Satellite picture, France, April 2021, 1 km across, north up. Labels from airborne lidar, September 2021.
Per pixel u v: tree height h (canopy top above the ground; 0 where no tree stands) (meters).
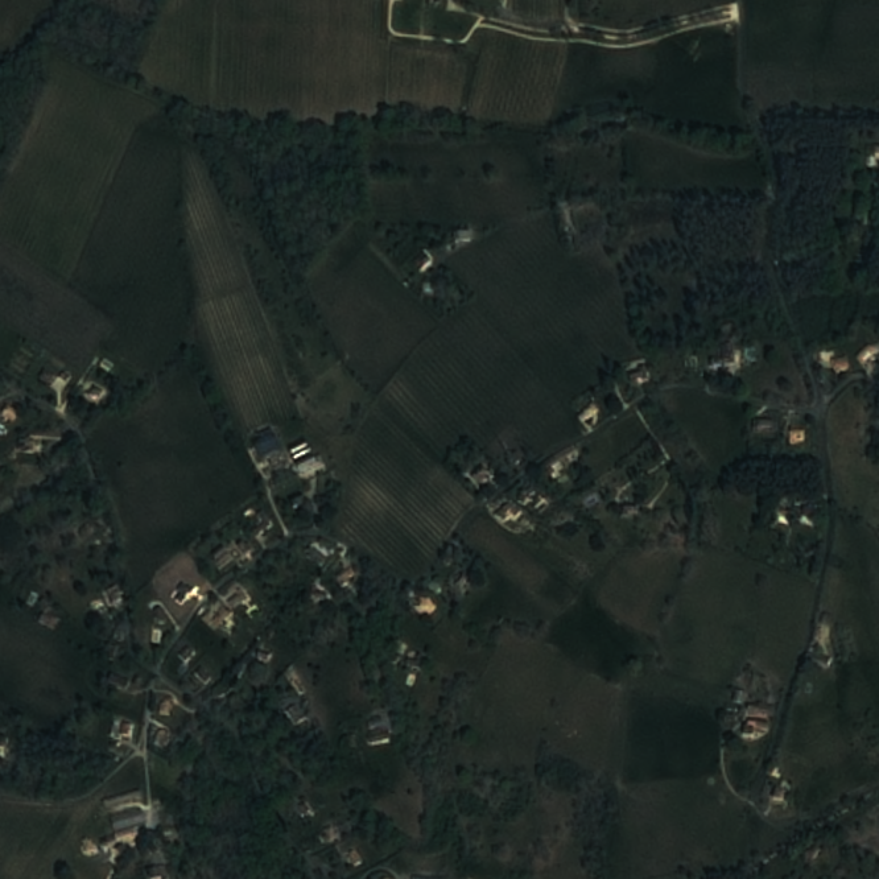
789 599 0
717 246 25
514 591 0
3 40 0
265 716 19
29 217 0
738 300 23
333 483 9
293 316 0
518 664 0
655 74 0
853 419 0
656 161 0
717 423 0
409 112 18
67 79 0
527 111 0
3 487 11
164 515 0
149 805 0
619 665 0
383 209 0
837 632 6
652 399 17
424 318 0
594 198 12
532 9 0
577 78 0
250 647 7
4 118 19
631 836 0
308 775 18
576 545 0
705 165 0
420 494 0
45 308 0
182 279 0
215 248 0
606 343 0
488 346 0
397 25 0
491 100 0
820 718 0
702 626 0
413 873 0
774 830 0
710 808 0
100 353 0
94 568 0
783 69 0
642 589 0
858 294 9
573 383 0
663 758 0
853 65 0
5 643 0
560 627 0
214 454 0
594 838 19
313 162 12
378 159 0
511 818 6
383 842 16
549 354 0
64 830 0
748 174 0
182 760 20
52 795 7
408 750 11
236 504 0
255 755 15
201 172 0
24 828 0
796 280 22
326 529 15
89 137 0
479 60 0
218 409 11
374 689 13
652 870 0
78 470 17
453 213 0
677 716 0
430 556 0
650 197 15
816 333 10
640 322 16
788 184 22
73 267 0
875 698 0
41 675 0
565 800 0
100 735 0
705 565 0
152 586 0
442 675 0
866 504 0
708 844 0
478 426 0
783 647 0
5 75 19
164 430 0
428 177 13
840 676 0
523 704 0
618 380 15
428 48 0
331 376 0
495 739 0
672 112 0
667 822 0
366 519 0
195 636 0
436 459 0
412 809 0
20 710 0
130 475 0
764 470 21
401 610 11
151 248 0
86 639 0
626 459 9
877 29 0
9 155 14
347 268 0
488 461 5
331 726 0
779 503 14
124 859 12
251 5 0
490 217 0
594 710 0
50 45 19
